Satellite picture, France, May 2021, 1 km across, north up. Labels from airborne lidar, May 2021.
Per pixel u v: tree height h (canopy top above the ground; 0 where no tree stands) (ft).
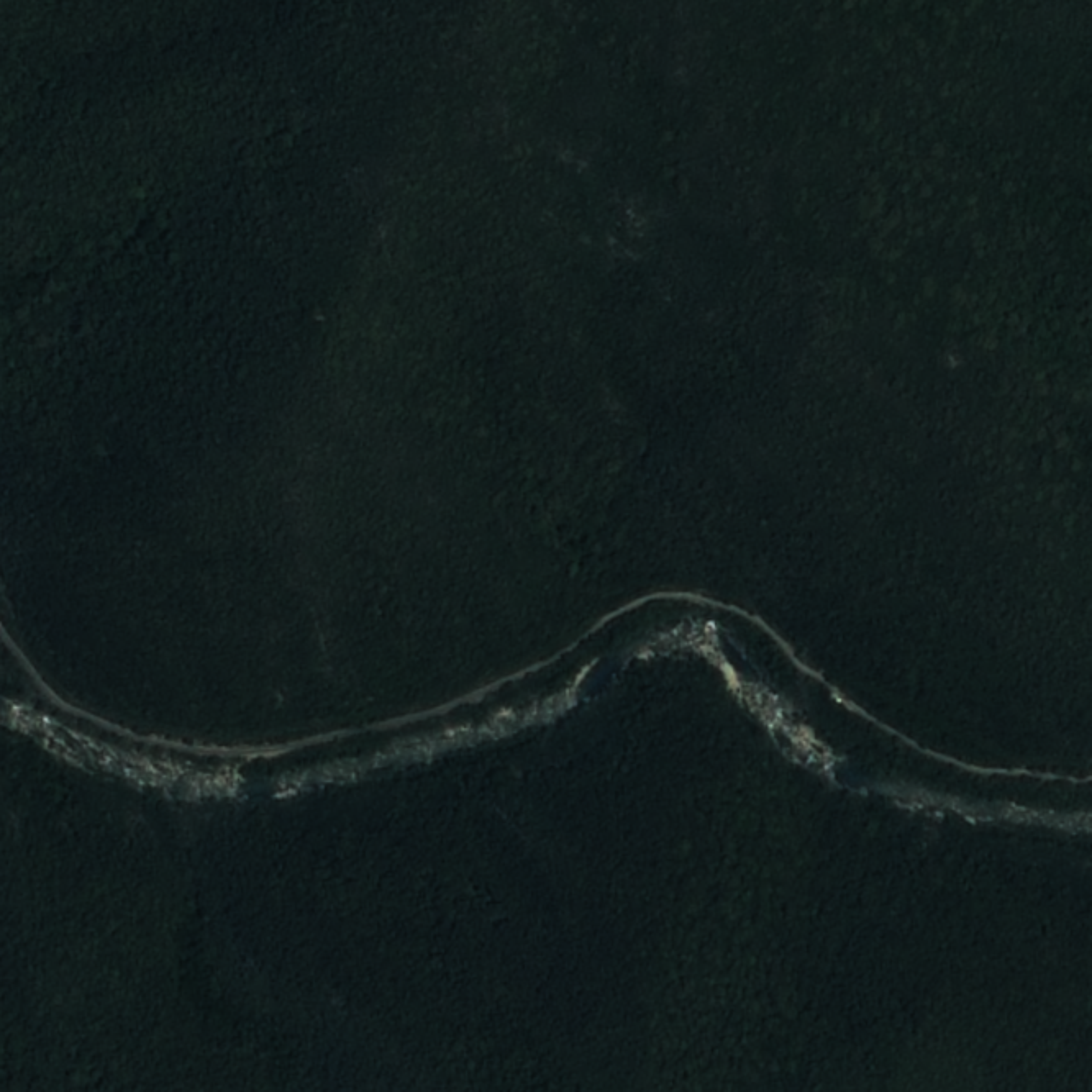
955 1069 29
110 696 28
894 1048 32
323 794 24
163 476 21
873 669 33
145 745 28
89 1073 29
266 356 27
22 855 35
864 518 25
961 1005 34
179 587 31
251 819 31
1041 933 24
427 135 24
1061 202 41
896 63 23
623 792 34
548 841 24
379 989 31
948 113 31
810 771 33
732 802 56
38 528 27
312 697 38
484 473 22
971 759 21
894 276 30
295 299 22
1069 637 20
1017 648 19
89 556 34
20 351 31
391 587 27
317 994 17
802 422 29
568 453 27
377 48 19
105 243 24
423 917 41
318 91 30
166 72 31
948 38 32
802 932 55
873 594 21
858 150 31
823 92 24
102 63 55
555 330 30
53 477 37
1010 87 23
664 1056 31
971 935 24
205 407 18
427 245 22
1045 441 22
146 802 24
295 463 24
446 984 40
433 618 35
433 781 36
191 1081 49
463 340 39
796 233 19
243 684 26
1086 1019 38
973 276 27
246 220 35
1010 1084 39
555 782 32
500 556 21
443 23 27
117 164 25
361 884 55
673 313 18
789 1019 65
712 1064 42
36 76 52
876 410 18
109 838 24
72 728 29
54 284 51
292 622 21
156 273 37
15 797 44
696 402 49
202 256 18
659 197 21
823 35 20
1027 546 20
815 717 19
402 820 44
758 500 28
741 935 38
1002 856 21
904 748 33
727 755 50
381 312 24
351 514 31
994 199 24
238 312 20
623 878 42
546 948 54
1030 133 26
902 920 28
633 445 36
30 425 38
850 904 43
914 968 36
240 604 29
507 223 23
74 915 28
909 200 33
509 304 38
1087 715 21
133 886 34
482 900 49
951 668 19
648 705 35
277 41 29
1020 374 23
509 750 27
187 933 60
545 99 25
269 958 31
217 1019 40
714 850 47
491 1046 32
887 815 26
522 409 25
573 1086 27
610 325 33
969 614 25
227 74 34
